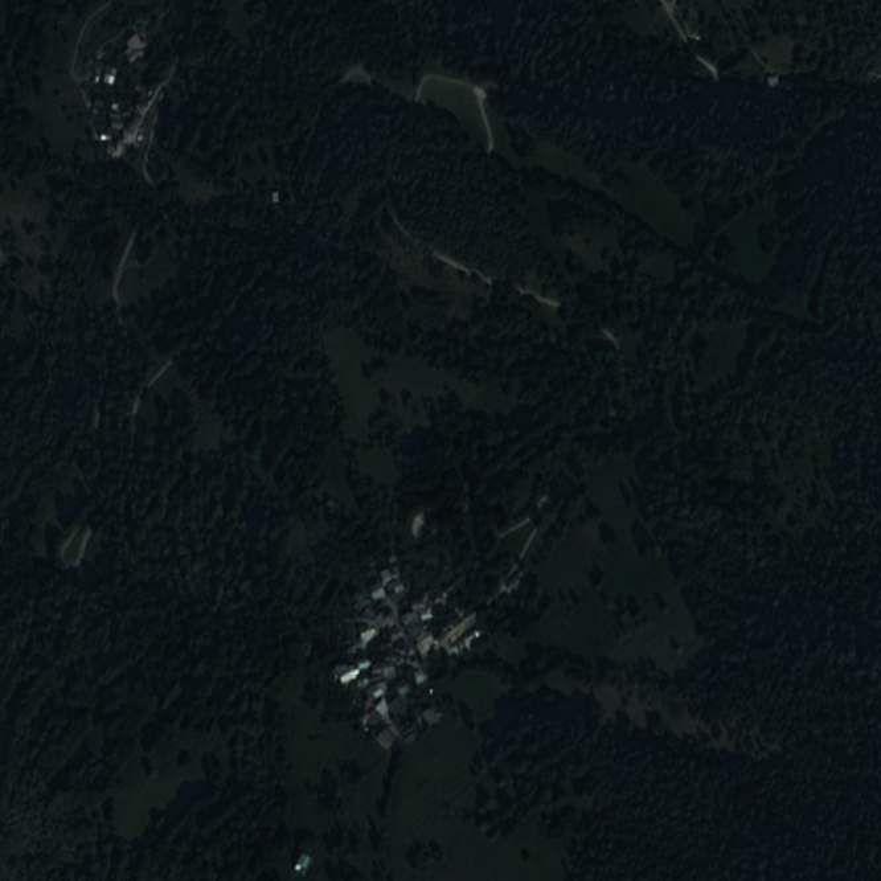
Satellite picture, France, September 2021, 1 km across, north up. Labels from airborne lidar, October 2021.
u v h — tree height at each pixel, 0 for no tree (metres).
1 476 18
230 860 15
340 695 6
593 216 15
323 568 7
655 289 13
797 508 6
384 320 19
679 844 20
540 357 21
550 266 20
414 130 32
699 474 23
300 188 15
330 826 0
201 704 18
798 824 21
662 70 28
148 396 8
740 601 27
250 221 26
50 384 14
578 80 13
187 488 12
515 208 25
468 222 25
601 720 25
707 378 7
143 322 0
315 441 22
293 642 16
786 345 13
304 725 0
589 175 14
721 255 18
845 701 26
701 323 22
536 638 0
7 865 8
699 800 18
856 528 20
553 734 25
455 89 0
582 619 0
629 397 11
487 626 7
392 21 18
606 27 12
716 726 15
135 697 25
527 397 24
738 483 6
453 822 0
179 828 18
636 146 28
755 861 28
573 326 12
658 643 0
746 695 19
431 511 9
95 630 25
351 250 14
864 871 15
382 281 18
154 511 21
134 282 0
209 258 15
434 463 25
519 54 29
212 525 9
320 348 11
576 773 16
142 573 21
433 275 22
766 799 23
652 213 0
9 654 20
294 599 12
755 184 17
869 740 21
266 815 17
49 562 8
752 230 0
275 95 18
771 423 16
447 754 0
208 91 15
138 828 0
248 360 25
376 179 19
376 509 9
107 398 18
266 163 13
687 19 9
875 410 23
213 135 14
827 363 18
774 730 20
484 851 0
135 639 23
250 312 15
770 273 0
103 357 15
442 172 24
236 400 18
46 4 20
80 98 0
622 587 0
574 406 22
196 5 18
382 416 9
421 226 22
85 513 7
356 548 14
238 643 28
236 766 12
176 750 0
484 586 10
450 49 11
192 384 13
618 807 22
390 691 7
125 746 14
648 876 23
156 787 0
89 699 21
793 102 21
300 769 0
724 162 21
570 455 9
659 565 0
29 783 9
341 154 20
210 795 14
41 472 6
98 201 15
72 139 0
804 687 16
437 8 7
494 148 0
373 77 10
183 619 24
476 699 0
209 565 9
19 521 22
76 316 7
